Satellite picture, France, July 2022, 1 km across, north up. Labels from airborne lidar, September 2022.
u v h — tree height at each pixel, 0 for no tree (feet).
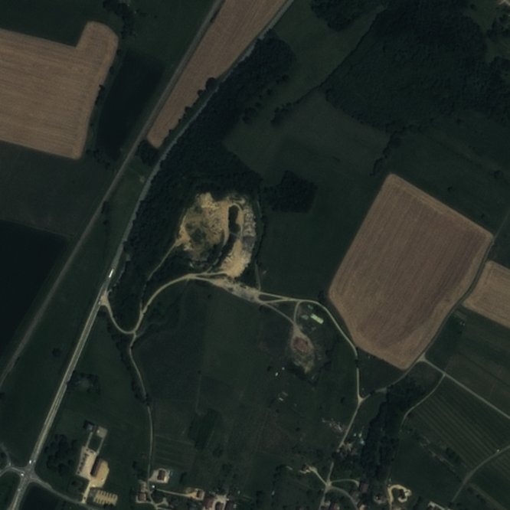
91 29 0
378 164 41
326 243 0
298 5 0
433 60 47
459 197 0
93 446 0
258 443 0
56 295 0
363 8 40
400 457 0
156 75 0
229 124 67
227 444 0
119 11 56
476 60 43
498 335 0
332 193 0
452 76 21
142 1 0
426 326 0
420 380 0
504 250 0
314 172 0
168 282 33
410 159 0
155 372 0
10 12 0
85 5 0
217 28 0
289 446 0
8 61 0
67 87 0
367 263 0
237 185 37
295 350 0
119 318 25
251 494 0
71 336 0
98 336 0
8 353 0
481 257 0
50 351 0
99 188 0
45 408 0
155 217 57
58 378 0
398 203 0
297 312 0
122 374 0
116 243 0
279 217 0
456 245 0
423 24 68
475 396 0
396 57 46
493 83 74
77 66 0
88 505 0
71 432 0
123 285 52
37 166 0
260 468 0
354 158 0
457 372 0
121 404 0
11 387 0
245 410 0
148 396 29
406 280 0
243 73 68
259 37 0
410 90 43
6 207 0
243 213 0
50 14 0
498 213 0
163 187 34
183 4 0
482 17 0
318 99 0
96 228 0
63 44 0
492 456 0
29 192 0
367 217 0
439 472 0
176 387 0
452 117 39
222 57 0
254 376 0
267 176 0
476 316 0
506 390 0
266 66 78
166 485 0
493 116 28
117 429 0
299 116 0
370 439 40
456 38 65
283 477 31
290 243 0
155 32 0
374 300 0
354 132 0
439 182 0
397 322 0
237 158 48
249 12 0
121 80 0
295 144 0
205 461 0
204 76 0
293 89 0
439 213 0
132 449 0
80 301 0
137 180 0
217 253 20
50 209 0
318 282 0
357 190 0
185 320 0
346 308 0
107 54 0
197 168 50
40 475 0
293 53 64
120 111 0
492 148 0
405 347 0
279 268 0
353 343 0
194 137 45
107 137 0
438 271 0
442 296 0
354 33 0
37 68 0
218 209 0
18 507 0
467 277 0
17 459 0
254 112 72
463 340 0
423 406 0
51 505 0
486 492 0
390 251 0
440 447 0
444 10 94
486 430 0
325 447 0
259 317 0
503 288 0
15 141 0
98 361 0
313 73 0
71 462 36
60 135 0
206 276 0
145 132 0
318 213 0
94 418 0
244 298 0
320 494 34
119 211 0
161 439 0
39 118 0
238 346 0
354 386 0
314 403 0
